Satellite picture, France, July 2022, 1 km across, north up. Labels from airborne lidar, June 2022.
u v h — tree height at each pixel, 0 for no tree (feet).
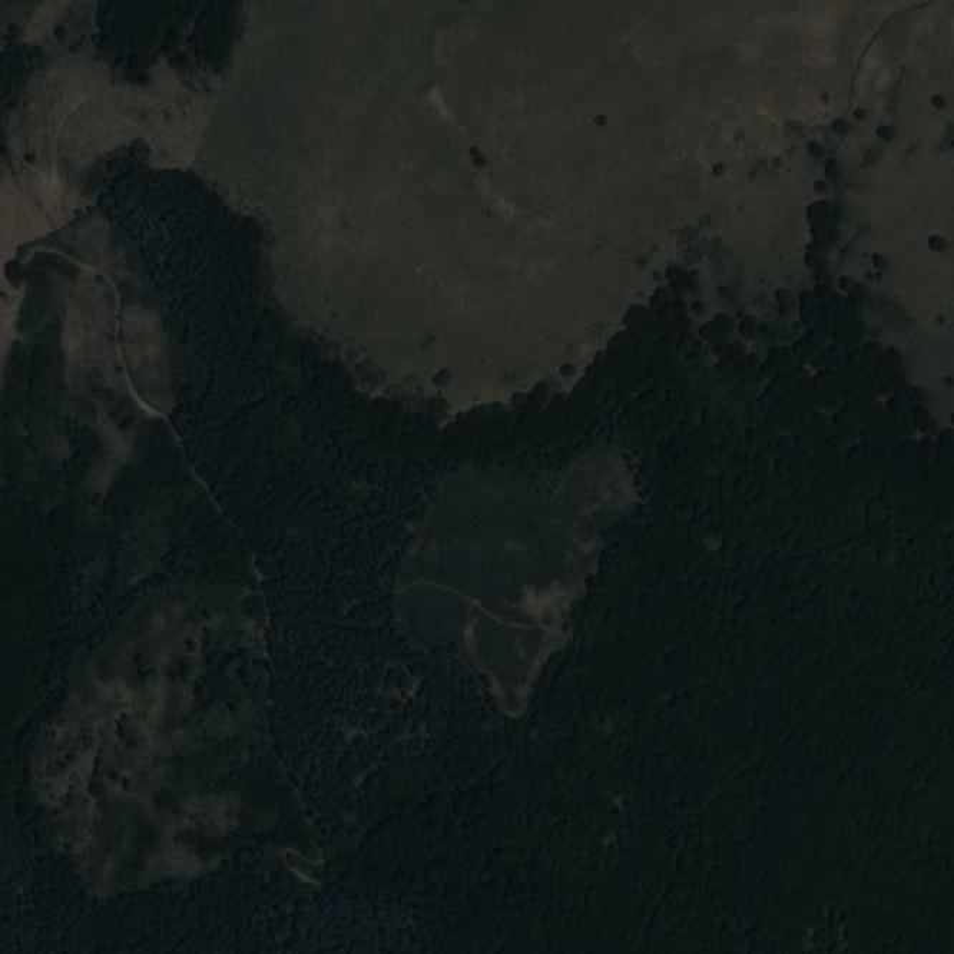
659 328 57
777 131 0
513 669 0
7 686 50
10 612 42
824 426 70
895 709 54
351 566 66
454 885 57
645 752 57
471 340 0
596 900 39
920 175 0
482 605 0
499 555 0
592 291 0
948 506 57
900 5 0
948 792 39
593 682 62
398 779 27
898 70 0
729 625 59
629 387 56
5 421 50
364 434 33
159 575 31
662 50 0
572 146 0
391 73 0
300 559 78
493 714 31
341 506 54
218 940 71
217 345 69
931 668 52
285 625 55
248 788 31
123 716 34
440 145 0
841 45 0
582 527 0
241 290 49
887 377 62
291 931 54
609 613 55
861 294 47
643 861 59
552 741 59
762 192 0
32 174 0
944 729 43
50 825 46
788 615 63
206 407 59
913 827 42
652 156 0
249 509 49
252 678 83
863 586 60
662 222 0
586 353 0
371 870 52
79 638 58
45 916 75
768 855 64
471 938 75
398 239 0
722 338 68
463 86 0
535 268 0
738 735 67
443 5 0
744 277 0
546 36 0
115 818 0
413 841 50
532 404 50
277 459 48
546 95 0
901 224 0
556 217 0
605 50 0
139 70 46
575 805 50
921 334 0
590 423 42
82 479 48
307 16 0
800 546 48
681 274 40
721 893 40
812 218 52
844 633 41
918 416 60
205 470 62
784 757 51
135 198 29
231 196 0
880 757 53
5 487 24
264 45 0
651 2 0
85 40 18
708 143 0
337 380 48
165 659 0
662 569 53
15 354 19
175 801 22
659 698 56
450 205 0
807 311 59
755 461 53
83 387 0
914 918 41
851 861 38
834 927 44
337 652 64
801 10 0
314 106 0
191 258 61
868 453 63
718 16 0
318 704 48
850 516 36
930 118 0
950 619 41
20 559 35
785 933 41
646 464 67
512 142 0
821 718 51
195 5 71
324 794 53
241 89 0
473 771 57
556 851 45
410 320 0
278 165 0
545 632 0
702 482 49
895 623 51
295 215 0
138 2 78
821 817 42
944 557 56
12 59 35
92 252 0
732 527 52
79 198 0
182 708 0
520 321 0
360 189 0
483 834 75
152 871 0
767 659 63
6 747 49
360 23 0
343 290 0
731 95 0
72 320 0
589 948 52
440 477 32
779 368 58
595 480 0
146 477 37
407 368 0
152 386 0
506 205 0
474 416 42
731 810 48
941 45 0
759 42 0
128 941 52
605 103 0
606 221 0
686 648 59
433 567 0
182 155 0
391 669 24
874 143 0
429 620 0
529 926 54
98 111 0
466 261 0
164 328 19
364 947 100
